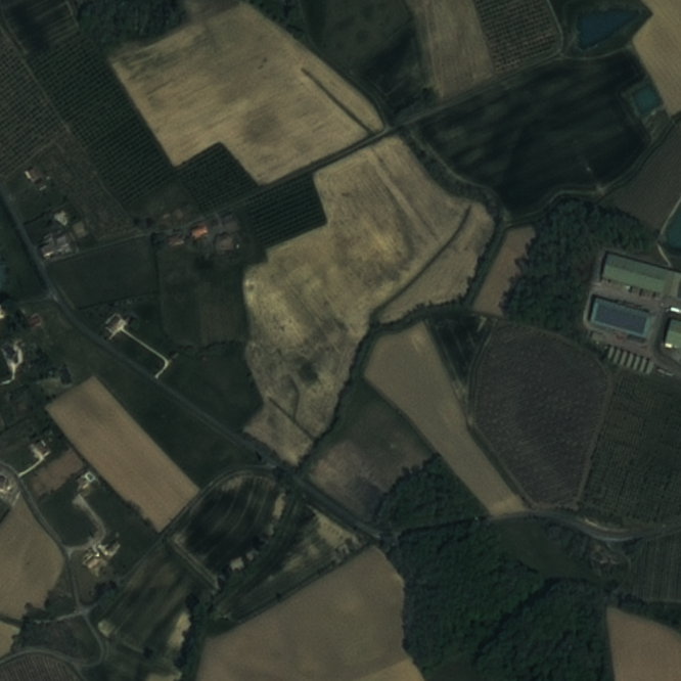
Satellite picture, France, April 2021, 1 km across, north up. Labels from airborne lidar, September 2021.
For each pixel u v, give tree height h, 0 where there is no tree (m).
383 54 0
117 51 0
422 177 0
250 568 25
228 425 0
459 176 0
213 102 0
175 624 0
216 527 0
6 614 0
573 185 0
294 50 0
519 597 24
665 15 0
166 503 0
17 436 0
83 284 0
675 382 0
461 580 24
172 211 0
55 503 0
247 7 0
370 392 0
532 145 0
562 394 6
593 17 0
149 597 0
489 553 22
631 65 0
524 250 0
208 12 0
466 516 17
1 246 7
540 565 0
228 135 0
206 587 0
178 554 0
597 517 6
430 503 16
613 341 0
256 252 0
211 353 10
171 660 0
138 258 0
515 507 0
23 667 7
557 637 23
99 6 13
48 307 0
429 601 25
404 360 0
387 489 0
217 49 0
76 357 0
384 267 0
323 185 0
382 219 0
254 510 0
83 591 0
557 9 0
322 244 0
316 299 0
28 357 8
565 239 16
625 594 26
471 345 0
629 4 0
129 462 0
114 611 0
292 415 0
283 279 0
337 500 0
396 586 0
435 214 0
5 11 0
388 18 0
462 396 0
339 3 0
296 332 0
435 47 0
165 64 0
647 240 18
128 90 0
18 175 0
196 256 6
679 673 0
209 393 0
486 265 17
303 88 0
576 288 26
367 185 0
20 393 7
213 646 0
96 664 0
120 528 0
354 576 0
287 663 0
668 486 7
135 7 18
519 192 0
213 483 0
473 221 0
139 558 0
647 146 0
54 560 0
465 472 0
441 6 0
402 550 16
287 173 0
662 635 0
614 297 0
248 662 0
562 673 19
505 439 6
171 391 0
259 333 0
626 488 7
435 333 0
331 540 0
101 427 0
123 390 0
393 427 0
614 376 0
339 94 0
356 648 0
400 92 0
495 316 0
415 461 0
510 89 0
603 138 0
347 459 0
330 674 0
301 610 0
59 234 0
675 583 6
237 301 0
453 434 0
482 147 0
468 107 0
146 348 0
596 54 0
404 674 0
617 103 0
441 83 0
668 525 0
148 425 0
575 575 0
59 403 0
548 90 0
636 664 0
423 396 0
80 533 0
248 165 0
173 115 0
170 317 0
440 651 15
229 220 0
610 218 24
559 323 24
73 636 11
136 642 0
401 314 0
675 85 0
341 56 0
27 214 0
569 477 6
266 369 0
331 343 0
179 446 0
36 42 0
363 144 0
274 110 0
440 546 17
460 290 0
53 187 6
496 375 6
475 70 0
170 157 0
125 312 8
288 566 0
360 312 0
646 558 6
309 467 15
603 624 20
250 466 0
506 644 26
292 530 0
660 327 0
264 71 0
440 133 0
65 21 0
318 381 0
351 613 0
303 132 0
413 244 0
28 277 0
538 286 19
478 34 0
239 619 0
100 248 0
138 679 0
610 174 0
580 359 6
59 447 0
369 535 0
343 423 11
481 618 23
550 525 6
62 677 5
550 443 6
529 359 6
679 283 0
